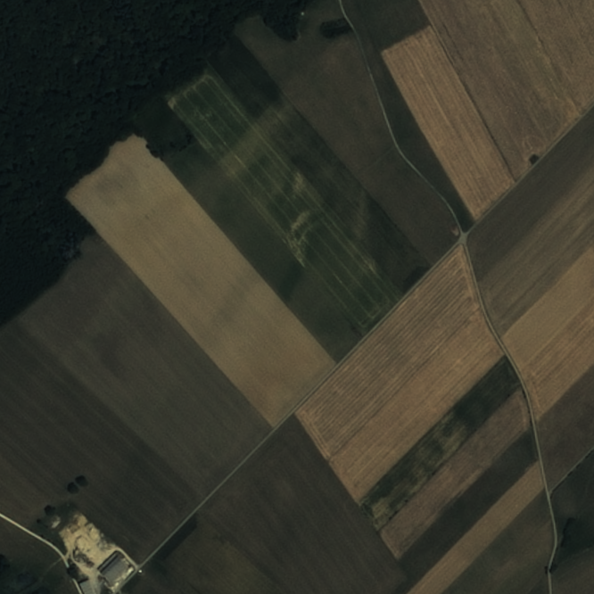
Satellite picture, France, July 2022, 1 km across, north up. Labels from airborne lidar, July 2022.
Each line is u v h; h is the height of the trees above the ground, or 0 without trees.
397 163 0
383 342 0
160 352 0
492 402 0
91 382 0
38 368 0
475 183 0
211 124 0
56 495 0
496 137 0
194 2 27
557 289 0
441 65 0
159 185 0
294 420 0
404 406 0
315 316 0
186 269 0
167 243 0
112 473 0
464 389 0
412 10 0
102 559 0
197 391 0
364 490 0
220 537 0
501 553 0
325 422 0
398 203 0
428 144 0
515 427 0
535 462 0
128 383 0
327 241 0
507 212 0
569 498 0
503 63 0
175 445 0
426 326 0
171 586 0
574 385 0
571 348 0
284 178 0
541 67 0
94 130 24
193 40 23
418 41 0
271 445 0
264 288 0
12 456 0
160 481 0
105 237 0
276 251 0
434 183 0
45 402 0
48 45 18
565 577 0
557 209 0
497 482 0
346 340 0
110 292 0
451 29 0
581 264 0
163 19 19
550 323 0
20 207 22
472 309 0
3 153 22
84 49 21
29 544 0
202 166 0
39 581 0
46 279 16
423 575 0
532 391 0
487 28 0
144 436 0
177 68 22
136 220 0
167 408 0
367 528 0
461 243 0
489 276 0
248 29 0
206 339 0
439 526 0
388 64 0
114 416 0
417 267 0
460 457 0
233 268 0
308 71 0
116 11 19
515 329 0
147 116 0
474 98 0
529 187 0
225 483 0
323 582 0
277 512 0
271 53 0
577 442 0
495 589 0
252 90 0
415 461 0
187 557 0
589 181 0
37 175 22
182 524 0
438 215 0
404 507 0
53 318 0
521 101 0
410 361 0
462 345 0
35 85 20
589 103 0
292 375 0
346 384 0
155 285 0
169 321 0
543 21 0
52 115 22
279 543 0
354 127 0
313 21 0
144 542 0
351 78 0
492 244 0
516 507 0
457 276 0
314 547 0
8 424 0
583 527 0
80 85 22
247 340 0
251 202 0
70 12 19
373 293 0
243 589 0
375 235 0
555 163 0
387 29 0
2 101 23
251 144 0
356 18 0
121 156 0
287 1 31
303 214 0
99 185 0
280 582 0
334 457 0
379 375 0
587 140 0
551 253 0
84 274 0
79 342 0
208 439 0
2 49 18
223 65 0
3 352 0
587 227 0
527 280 0
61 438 0
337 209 0
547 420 0
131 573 0
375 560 0
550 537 0
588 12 0
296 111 0
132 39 22
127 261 0
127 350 0
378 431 0
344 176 0
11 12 19
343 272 0
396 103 0
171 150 0
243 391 0
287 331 0
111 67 19
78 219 15
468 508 0
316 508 0
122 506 0
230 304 0
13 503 0
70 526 0
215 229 0
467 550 0
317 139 0
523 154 0
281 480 0
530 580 0
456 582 0
